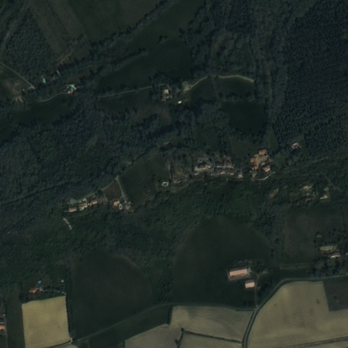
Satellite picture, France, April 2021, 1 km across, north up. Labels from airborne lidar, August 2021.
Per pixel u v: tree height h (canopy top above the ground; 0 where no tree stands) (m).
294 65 18
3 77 0
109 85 0
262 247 0
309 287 0
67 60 7
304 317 0
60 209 11
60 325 0
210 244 0
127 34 15
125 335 0
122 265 0
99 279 0
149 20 12
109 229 15
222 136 13
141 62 0
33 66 11
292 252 0
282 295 0
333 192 11
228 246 0
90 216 10
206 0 16
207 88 0
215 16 17
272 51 12
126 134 15
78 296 0
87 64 19
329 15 18
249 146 0
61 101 0
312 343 0
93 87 17
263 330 0
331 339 0
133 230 12
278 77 24
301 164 16
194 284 0
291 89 18
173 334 0
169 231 16
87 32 0
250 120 0
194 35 20
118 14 0
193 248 0
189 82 0
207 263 0
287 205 24
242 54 7
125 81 0
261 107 0
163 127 0
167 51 0
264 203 14
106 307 0
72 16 0
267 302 0
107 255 0
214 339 0
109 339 0
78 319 0
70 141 15
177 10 0
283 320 0
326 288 0
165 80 18
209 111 20
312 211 0
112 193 0
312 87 17
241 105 0
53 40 0
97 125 18
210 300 0
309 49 17
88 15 0
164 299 8
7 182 18
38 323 0
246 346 0
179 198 13
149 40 0
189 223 20
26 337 0
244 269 0
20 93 0
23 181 15
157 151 18
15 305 0
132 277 0
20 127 21
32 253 10
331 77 18
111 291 0
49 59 15
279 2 21
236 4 15
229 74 13
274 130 12
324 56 16
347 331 0
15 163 22
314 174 17
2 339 7
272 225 16
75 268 0
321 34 17
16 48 17
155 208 19
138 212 14
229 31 21
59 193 13
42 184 11
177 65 0
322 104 18
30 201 9
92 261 0
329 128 12
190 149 9
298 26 17
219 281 0
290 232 0
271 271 8
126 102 0
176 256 0
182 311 0
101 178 19
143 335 0
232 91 0
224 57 9
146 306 0
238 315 0
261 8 21
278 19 20
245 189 13
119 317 0
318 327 0
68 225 11
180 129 20
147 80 0
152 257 18
